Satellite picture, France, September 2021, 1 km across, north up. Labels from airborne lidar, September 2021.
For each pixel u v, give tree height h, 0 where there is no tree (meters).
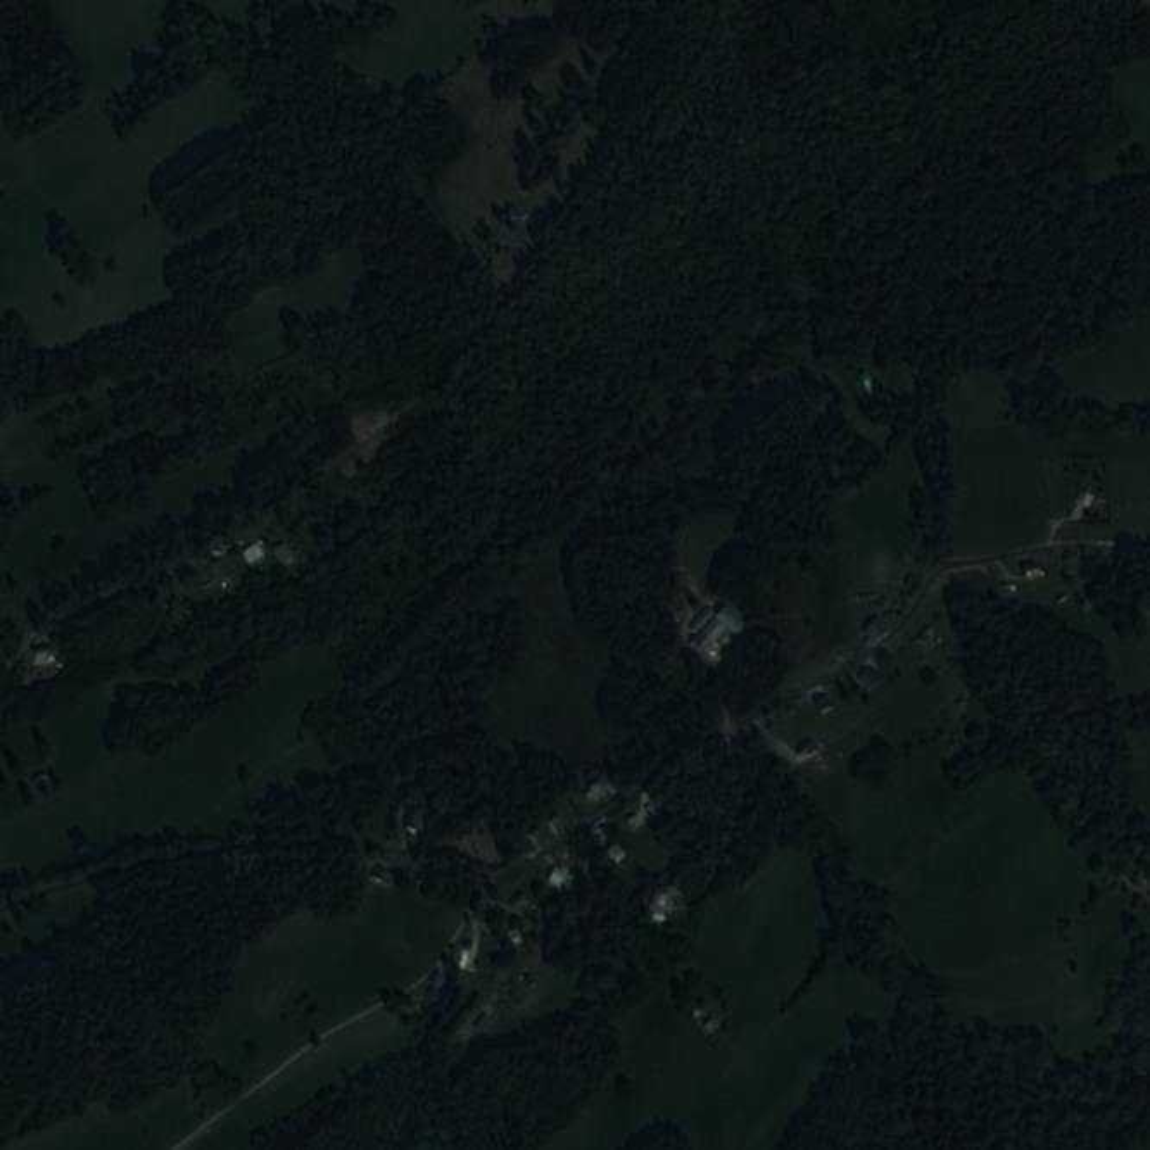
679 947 19
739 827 20
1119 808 16
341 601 24
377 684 23
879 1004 0
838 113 19
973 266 19
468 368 21
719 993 7
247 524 6
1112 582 17
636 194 15
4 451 0
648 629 21
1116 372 0
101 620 10
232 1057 0
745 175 14
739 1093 0
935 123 21
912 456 0
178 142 0
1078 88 20
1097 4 27
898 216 19
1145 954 11
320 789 24
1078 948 0
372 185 19
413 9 0
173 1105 0
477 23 0
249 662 14
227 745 0
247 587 7
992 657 26
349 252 15
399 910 0
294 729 0
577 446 20
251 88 24
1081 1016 0
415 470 16
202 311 17
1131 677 0
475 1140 25
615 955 23
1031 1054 27
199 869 22
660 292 22
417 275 23
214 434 24
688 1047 0
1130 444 0
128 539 0
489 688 26
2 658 12
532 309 20
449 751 21
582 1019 18
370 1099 19
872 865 0
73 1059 23
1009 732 28
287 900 25
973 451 0
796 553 13
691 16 27
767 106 30
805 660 0
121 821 0
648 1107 0
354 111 19
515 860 21
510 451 23
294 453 22
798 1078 0
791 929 0
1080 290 22
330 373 21
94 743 0
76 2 0
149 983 21
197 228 14
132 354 21
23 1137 16
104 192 0
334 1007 0
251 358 0
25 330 20
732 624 0
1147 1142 13
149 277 0
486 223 0
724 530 0
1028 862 0
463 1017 9
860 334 22
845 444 23
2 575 0
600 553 20
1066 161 14
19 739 0
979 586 0
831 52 7
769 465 19
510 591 0
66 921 0
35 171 0
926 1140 7
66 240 19
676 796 18
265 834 13
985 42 23
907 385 0
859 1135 23
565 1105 22
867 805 0
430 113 17
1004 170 25
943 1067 22
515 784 19
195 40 24
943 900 0
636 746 8
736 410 0
